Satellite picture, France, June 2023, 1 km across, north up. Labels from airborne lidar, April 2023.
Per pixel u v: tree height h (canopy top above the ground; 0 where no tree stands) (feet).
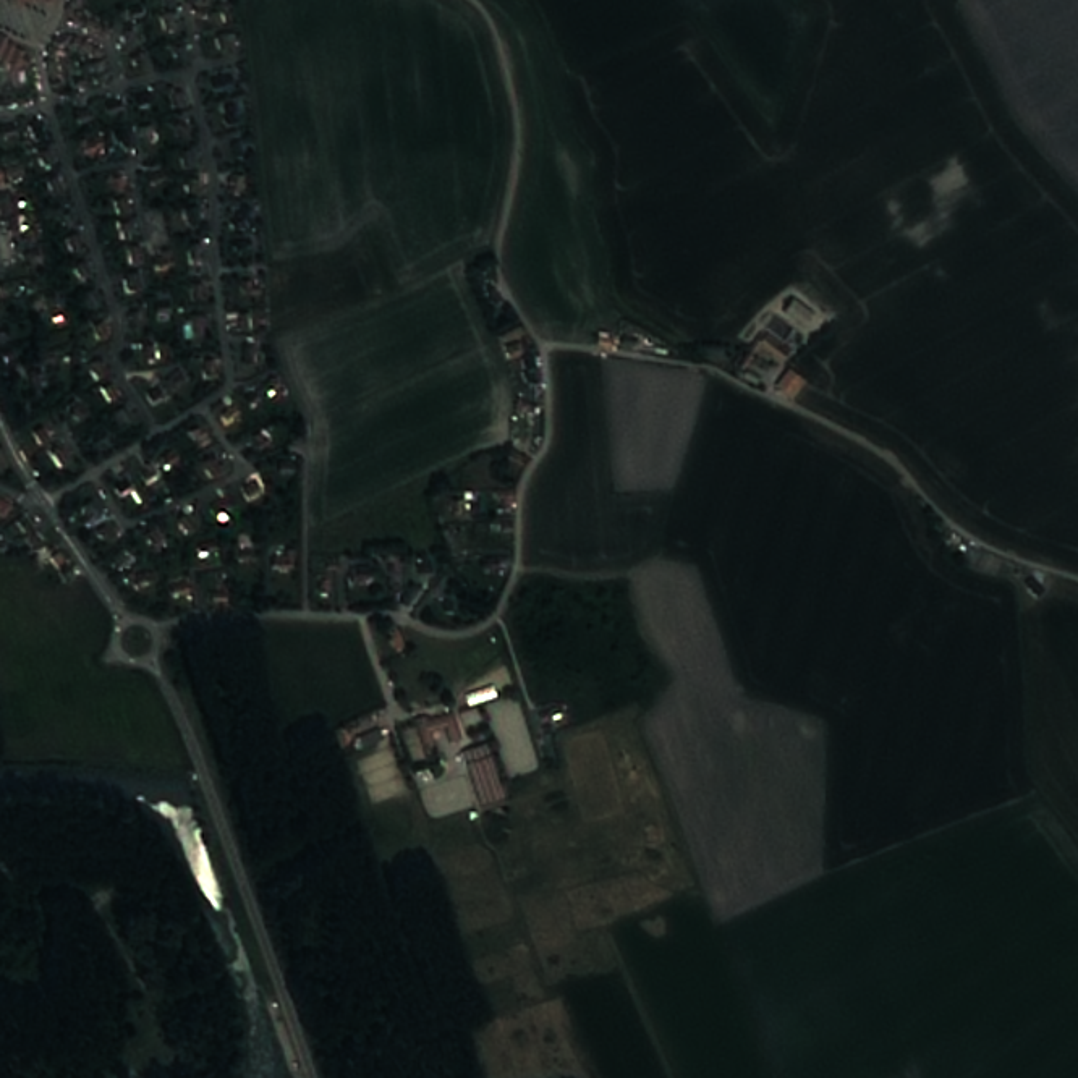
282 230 0
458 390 0
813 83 0
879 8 0
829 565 0
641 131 0
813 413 0
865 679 0
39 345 23
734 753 0
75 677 0
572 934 0
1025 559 0
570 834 0
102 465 0
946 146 0
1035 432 0
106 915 0
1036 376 0
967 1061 0
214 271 0
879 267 0
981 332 0
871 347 0
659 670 0
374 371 0
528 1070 0
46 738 0
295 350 0
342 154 0
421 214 0
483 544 0
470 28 0
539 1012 0
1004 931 0
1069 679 0
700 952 0
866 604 0
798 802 0
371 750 0
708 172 0
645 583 0
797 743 0
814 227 0
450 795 0
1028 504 0
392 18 0
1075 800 0
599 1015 0
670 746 0
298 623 0
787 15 0
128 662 0
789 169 0
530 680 0
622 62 0
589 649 0
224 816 0
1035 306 0
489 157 0
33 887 24
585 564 0
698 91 0
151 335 22
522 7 0
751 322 0
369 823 0
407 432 0
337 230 0
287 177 0
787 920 0
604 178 0
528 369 21
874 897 0
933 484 0
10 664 0
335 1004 84
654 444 0
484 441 0
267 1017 0
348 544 0
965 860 0
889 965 0
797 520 0
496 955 0
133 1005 24
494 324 27
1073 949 0
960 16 0
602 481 0
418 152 0
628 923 0
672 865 0
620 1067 0
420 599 0
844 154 0
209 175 0
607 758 0
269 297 0
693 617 0
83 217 0
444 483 42
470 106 0
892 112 0
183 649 84
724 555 0
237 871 0
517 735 0
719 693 0
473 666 0
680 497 0
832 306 0
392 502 0
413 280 0
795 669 0
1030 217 0
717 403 0
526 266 0
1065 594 0
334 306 0
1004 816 0
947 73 0
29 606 0
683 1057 0
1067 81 0
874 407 0
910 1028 0
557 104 0
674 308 0
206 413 0
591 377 0
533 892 0
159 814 0
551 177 0
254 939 0
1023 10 0
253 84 0
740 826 0
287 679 0
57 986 101
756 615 0
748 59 0
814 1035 0
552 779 0
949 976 0
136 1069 0
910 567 0
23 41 0
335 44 0
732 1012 0
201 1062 30
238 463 0
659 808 0
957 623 0
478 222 0
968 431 0
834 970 0
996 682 0
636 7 0
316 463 0
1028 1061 0
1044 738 0
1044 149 0
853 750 0
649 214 0
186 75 0
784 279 0
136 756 0
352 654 0
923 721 0
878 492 0
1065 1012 0
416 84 0
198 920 83
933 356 0
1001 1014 0
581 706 0
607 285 0
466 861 0
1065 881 0
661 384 0
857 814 0
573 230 0
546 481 0
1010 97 0
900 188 0
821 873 0
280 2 0
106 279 0
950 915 0
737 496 0
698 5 0
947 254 0
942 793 0
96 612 0
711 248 0
